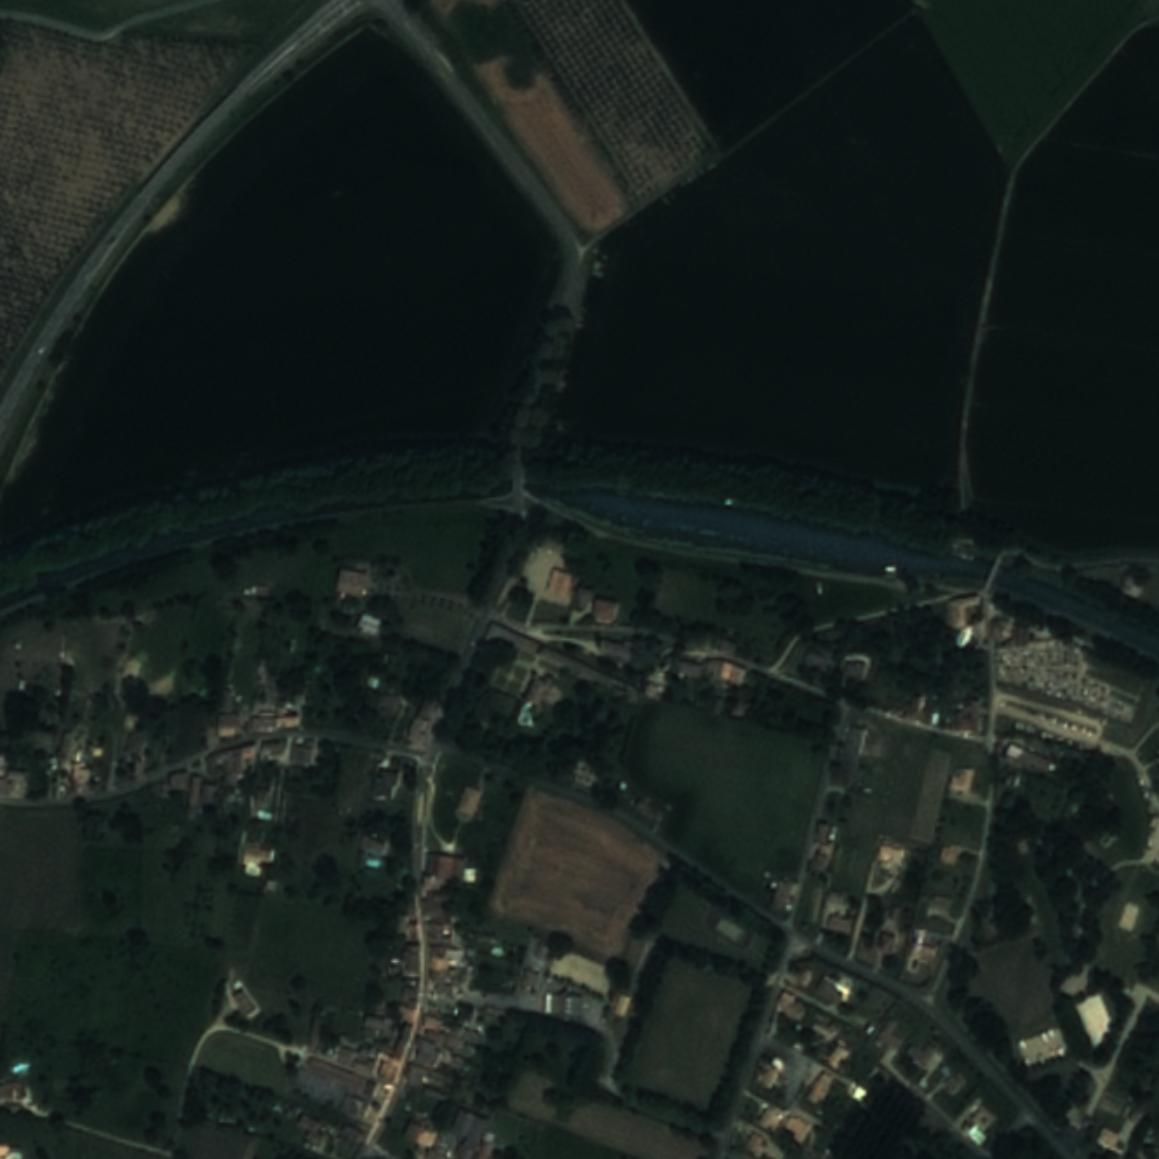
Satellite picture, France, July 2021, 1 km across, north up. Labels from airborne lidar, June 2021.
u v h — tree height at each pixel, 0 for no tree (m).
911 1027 0
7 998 0
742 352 0
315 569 0
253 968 0
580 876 0
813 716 0
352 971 0
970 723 0
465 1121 0
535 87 0
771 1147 0
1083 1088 15
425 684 13
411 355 0
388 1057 0
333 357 0
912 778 0
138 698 29
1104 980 20
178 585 0
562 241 0
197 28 0
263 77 0
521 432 19
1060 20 0
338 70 0
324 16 0
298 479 30
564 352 17
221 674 26
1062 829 13
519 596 16
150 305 0
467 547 0
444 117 0
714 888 13
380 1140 0
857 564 0
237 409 0
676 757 0
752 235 0
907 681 12
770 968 9
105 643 0
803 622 18
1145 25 0
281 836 7
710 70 0
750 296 0
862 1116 21
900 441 0
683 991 0
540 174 0
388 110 0
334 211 0
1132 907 0
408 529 0
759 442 0
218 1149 0
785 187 0
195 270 0
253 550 19
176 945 0
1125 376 0
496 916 0
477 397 0
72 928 0
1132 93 0
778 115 0
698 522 0
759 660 7
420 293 0
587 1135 0
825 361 0
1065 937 11
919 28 0
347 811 0
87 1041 7
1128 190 0
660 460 28
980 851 0
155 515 30
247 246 0
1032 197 0
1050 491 0
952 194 0
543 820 0
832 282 0
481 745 10
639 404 0
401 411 0
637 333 0
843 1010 8
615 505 0
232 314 0
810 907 0
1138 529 0
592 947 0
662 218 0
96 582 10
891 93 0
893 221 0
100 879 0
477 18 0
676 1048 0
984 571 0
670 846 0
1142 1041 13
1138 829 0
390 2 0
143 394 0
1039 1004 0
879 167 0
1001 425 0
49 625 8
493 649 14
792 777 0
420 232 0
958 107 0
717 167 0
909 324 0
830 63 0
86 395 0
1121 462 0
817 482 23
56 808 0
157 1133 8
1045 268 0
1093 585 12
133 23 0
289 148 0
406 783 12
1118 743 0
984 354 0
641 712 0
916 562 0
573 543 32
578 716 16
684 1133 7
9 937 0
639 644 16
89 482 0
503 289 0
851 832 0
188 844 6
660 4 0
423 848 0
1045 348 0
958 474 0
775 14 0
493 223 0
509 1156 8
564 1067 0
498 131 0
